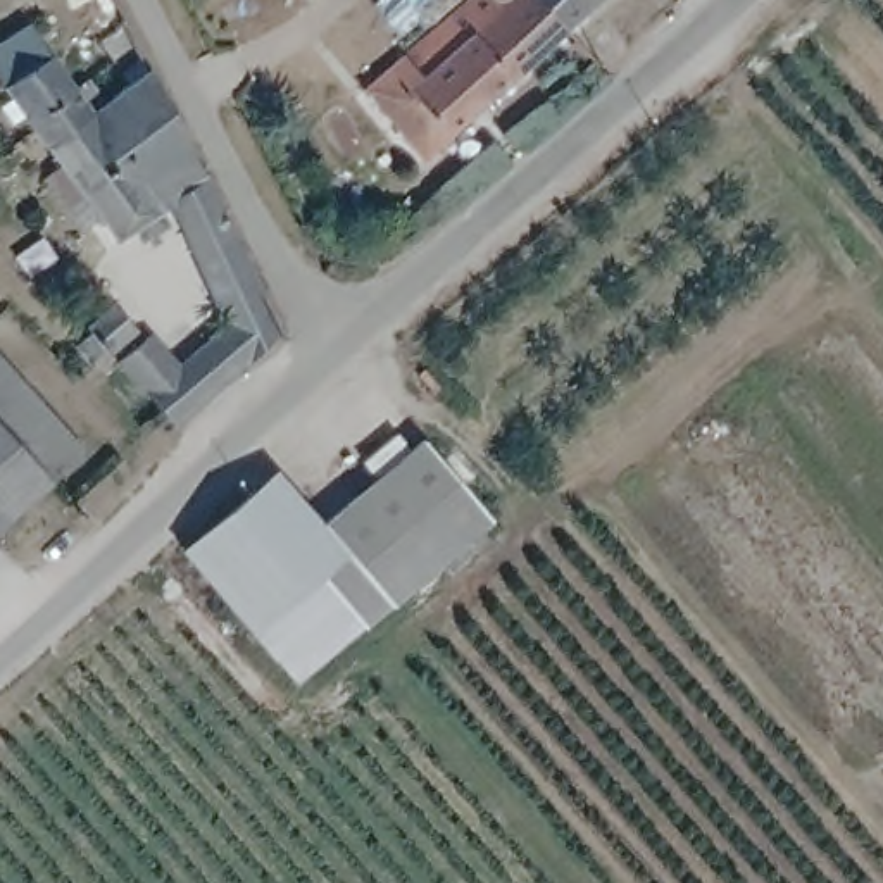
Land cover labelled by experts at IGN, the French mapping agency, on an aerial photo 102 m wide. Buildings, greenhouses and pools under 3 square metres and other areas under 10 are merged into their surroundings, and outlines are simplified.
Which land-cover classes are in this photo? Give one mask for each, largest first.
<instances>
[{"label":"herbaceous vegetation","instance_id":"1","mask_svg":"<svg viewBox=\"0 0 883 883\"><path fill-rule=\"evenodd\" d=\"M128 0H0V41L45 17V41L48 52L59 59L62 52L76 48V38H114L124 28ZM169 28L176 31L190 59H207L221 52L217 41L200 45L193 38L190 21L183 17V0H159ZM214 14L228 17L235 48L297 17L304 0H207ZM379 0H359L331 28H324V45L348 66L359 86L369 90L390 66L404 59V34L393 31L390 21L379 14ZM679 0H604L573 24L576 34H590L597 41V59L607 72H617L624 79L645 59L635 52V41L648 34L662 17H673ZM855 10V0H780L769 10V21L759 28V34L748 45H742L728 66L707 76L690 97H676L659 121L635 128L628 135V145L604 159V166L590 172L569 197L555 200L545 221L552 231L576 235V259L562 262L542 293L521 297L504 321L486 324L479 338L462 352L466 359L462 383L479 400L476 417H459L455 410H448L438 400V379L431 373H417L414 366L424 352V341L438 331L442 317L459 321V286L445 293L442 304L421 317V324L400 328L393 335L397 362L404 369V390L417 400L407 421H417L424 428V442L435 445L442 455L466 459V466L473 469V493L493 514L486 545L473 552V562L462 576L442 573L431 593H414L407 604H400L393 614H386L379 624H373L366 635L345 645L328 666H321L304 683H293L290 673L248 635L245 621L217 597V590L190 562V548L176 542L155 552L145 573H162L166 579H176L200 611H207L217 624H228L238 655L272 690L283 693V704L272 711L279 728L293 738H321L335 728L341 731V738H362L373 731L383 742L393 735L407 759L438 786L448 807L479 835L486 849H493V855L504 862L514 883H535V876L514 859V852L479 821L473 804L452 786L455 773L469 790H476L486 800L493 817L524 845V852L535 862H542V869L555 883H597L579 866V859L566 852V845L552 835L548 821L497 769L490 752L479 742H473L462 717L435 700V693L421 679L424 666H431L445 679V686L473 711V717L490 731V738L524 769V776L583 838V845L600 859L614 883H638L635 873H628L614 849L597 835V828L559 793V786L542 773V766L517 745V738L490 714L476 690L442 655L448 642L490 683V690L507 704V711L542 742V748L559 762L573 786L604 814V821L628 842V849L645 862V869H652L659 883H679L666 869V862L645 845V838L621 817V811L597 790V783L579 769V762L555 742V735L528 711V704L459 631L469 621L483 628V635L500 648V655L569 724V731L642 807V814L655 824V831L673 845V852L700 883H724L676 831V824L659 811V804L638 786V780L607 752V745L590 731V724L566 704V697L542 676V669L490 617L497 604L521 621V628L548 652L562 676L586 697V704L624 738V745L666 786L673 804L711 838L717 852H724L735 862L745 883H766L748 866V859L714 828V821L690 800V793L666 773V766L631 731V724L573 666L559 642L510 593L517 583L531 586V593L566 624V631L611 676V683L621 693H628V700L638 707L648 728L669 745L679 766L704 783L717 807L745 831V838L776 866V873L786 883H807L797 873V866L766 838V831L742 811V804L721 786V780L693 755L679 731L621 673L611 652L538 576L535 566L542 559H548L562 573V579L617 635L631 659L662 686V693L683 711V717L704 735V742L735 769V776L759 797V804L776 817V824L793 838V845L831 883H849L845 873L811 842V835L776 800V793L752 773L742 752L721 738L711 717L645 652V645L611 611L604 593L590 586L583 573L566 559V548L573 542L597 562L600 573H607L617 583L624 600L642 614L655 638L711 693V700L766 755V762L800 793L811 814L828 828L842 852L873 883H883V869L862 852V845L845 831V824L824 807V800L800 780V773L783 759V752L759 731V724L738 707V700L724 693L711 669L683 645L669 621L652 607V600L628 579V573L583 531V524L573 514L586 507L576 493L562 490L555 469L528 490L524 479L510 476L497 459L510 452L517 431H531V410H542V400H562L569 383L586 386L590 369L607 362L611 335H628L638 324V314L666 317L669 310H676L686 317L690 297H714L721 255H738L745 241L769 245V238H776L786 245V259L797 262L804 255H814L817 276L831 283H838L845 272H855L869 252H876V259L883 262V231L852 204L838 179L828 176L817 155L752 93L748 79L755 72L766 76L773 90L842 155V162L862 179V186L883 204V183L862 166V159L842 141L838 131H831L811 110L807 100H800V93L773 66V59L776 52H786L797 72L814 86V93H821L852 124L866 148L883 159V138L866 128L859 110L842 97V86L849 83L838 72L835 59L845 52L838 28ZM704 114L714 121V141H707L700 155L683 159L679 169L655 183L652 193L611 210L614 228L604 238H590L576 224V217L604 214V204L597 197L607 193L631 169L645 166V145H655V138L673 135L683 117ZM714 176L738 179L745 190V207L731 217L707 214V228L717 238L707 259L700 262L693 248L676 252L659 276L652 269L635 276L638 293L624 307H607V300L593 286V272L607 259L621 262L624 269L638 262L628 245L638 235L659 228L673 200L690 197L693 204H704L707 183ZM538 324H548L559 338V348L542 366H535L524 345V331ZM321 59L297 52L269 76L276 83H290L293 110L317 124L310 145L321 152V162L328 166L338 186L348 183L352 190L376 186L397 193V214H414L431 200L455 172H462V159L452 155L438 162L431 172H424L400 148L379 135V128L359 110L352 97L341 93L335 79H307ZM55 172V159H45V138L24 128V110L21 103H14V86L0 76V190L14 204L31 197L45 210L41 238L21 255L10 252V245L24 235V224H0V345L21 366V373L69 417V424L79 435V445L90 455L100 445H114L117 466L79 504L59 500L55 490L45 493L34 507H28L14 521V528H0V548L24 573L41 569L52 548H66L69 531L90 535L114 521L135 493H141L145 479L159 473L162 459L179 445V435L172 431V421L128 376L124 362L100 359L90 369H83V376H66L52 352L38 348L14 321L3 317L10 300L38 321L45 335L66 341L69 338V324L34 297V272L48 269L66 248L90 266L103 255L100 241L93 238V224L83 214H69L55 183L48 179ZM545 103L538 90H531L497 114L500 128L507 131ZM245 107L231 97L228 103H221V128L231 148L238 152L248 179L255 183L259 200L283 228L286 241H304L300 224L279 200V190L255 148L252 128L241 117ZM179 621L166 593H145L131 579L121 583L107 600H100L86 617H79L62 635L59 648L41 652L28 669H21L10 683L0 686V745H10L14 738L28 735L31 721L41 731L55 724L45 711L52 704L62 707L72 690L86 683L76 669L79 659L90 662L103 686L145 728V735L155 738L162 724H155V717L141 711L135 693L124 690V683L135 679L155 707H162V714L176 711V704L162 693V683H179L183 676L166 659V648L172 645L193 673L207 669V662L176 631Z\"/></svg>","mask_w":883,"mask_h":883},{"label":"deciduous trees","instance_id":"2","mask_svg":"<svg viewBox=\"0 0 883 883\"><path fill-rule=\"evenodd\" d=\"M607 72L597 59H583L576 52H552V59L538 62L531 90H538L545 103H586L604 86ZM773 66L800 93V100H807L811 110L831 131H838L842 141L862 159V166L883 183V159L866 148L852 124L821 93H814V86L797 72L786 52H776L773 59ZM231 97L245 107L241 117L252 128L255 148L279 190V200L300 224L304 241V255L324 276L359 283L373 279L383 262L397 259L410 241L438 228L445 217L431 200L414 214H397V193L376 186L352 190L348 183L338 186L328 166L321 162V152L310 145L317 124L293 110L290 83H276L269 76L248 72L231 90ZM752 93L817 155L828 176L838 179L852 204L883 231V204L862 186V179L842 162V155L773 90L766 76L755 72L748 79ZM842 97L859 110L866 128L883 138V117L849 83L842 86ZM707 141H714V121L704 114L683 117L673 135L655 138V145H645V166L631 169L607 193L597 197L604 204V214L576 217V224L590 238H604L614 228L611 210L652 193L655 183L679 169L683 159L700 155ZM745 207V190L738 179L714 176L707 183L704 204H693L690 197L673 200L659 228L638 235L628 245L638 262L624 269L621 262L607 259L593 272V286L607 300V307H624L638 293L635 276L652 269L659 276L676 252L693 248L700 262L707 259L717 238L707 228V214L731 217ZM24 224V235L10 245V252L21 255L41 238L45 210L31 197L14 204L0 190V224ZM576 259V235L552 231L545 221H535L510 248H504L486 269L473 272L459 286V321L442 317L438 331L424 341V352L414 366L417 373H431L438 366H459L466 359L462 352L479 338L486 324L504 321L521 297L542 293L562 262ZM786 259V245L776 238H769V245L745 241L738 255H721L714 297H690L686 317L676 310H669L666 317L638 314V324L628 335H611L607 362L590 369L586 386L569 383L562 400H542V410H531V431H517L510 452L497 459L510 476L524 479L528 490L555 469L559 455L552 448V438L559 431L573 435L597 404L611 400L614 379L638 376L645 369V359L659 348H683L700 324L714 328L735 300H745L769 269H776ZM34 297L69 324V338H76L83 328H97L103 317L121 310V304L107 297L103 283L93 276L90 266L66 248L48 269L34 272ZM200 317L214 331V338H228L235 331L231 310L221 304H204ZM524 345L535 366H542L559 348V338L548 324H538L524 331ZM583 524V531L628 573V579L652 600V607L669 621L683 645L711 669L724 693L738 700V707L759 724V731L783 752V759L800 773V780L824 800V807L845 824V831L862 845V852L883 869V845L845 807L835 786L804 755V748L762 711L748 686L724 666V659L693 631L676 600H669L655 586V579L631 559L624 542L611 531V524L586 507L573 514ZM566 559L583 573L590 586L604 593L611 611L645 645V652L711 717L721 738L742 752L752 773L776 793V800L811 835V842L845 873L849 883H873L842 852L828 828L811 814L800 793L766 762V755L711 700V693L655 638L642 614L624 600L617 583L607 573H600L597 562L573 542L566 548ZM538 576L611 652L621 673L679 731L693 755L721 780V786L742 804V811L766 831V838L797 866V873L807 883H831L793 845V838L776 824V817L759 804V797L735 776V769L704 742V735L683 717V711L662 693V686L631 659L617 635L562 579V573L548 559H542L535 566ZM510 593L559 642L573 666L631 724V731L666 766V773L690 793V800L714 821V828L748 859V866L766 883H786L776 873V866L745 838V831L717 807L704 783L679 766L669 745L648 728L638 707L628 700V693H621L611 683V676L566 631V624L531 593V586L517 583ZM490 617L542 669V676L566 697V704L590 724V731L607 745V752L638 780V786L659 804V811L676 824V831L724 883H745L735 862L724 852H717L711 838L673 804L666 786L624 745V738L586 704V697L562 676L548 652L521 628V621L497 604ZM176 631L207 662V669L193 673L172 645L166 648V659L183 676L179 683H162V693L176 704V711L162 714V707H155L135 679L124 683V690L135 693L141 711L155 717V724H162L155 738L145 735V728L103 686L90 662L79 659L76 669L86 683L72 690L62 707L52 704L45 711L55 724L41 731L31 721L28 735L14 738L10 745H0V883H514L504 862L493 855V849H486L479 835L448 807L438 786L407 759L393 735L383 742L373 731L362 738H341V731L335 728L321 738H293L279 728L272 711L262 707L221 666V659L197 638L190 624L179 621ZM459 631L528 704V711L555 735V742L579 762V769L597 783V790L621 811V817L645 838V845L666 862V869L679 883H700L673 852V845L655 831V824L642 814V807L569 731V724L500 655V648L483 635V628L469 621ZM442 655L476 690L490 714L517 738V745L542 766V773L559 786V793L597 828V835L614 849L628 873H635L638 883H659L652 869H645V862L628 849V842L604 821V814L573 786L559 762L542 748V742L507 711V704L490 690V683L448 642ZM421 679L435 693V700L462 717L473 742H479L490 752L497 769L548 821L552 835L566 845V852L579 859V866L597 883H614L600 859L583 845V838L524 776V769L490 738V731L473 717V711L445 686V679L431 666H424ZM452 786L473 804L479 821L514 852V859L535 876V883H555L542 869V862H535L524 852V845L493 817L486 800L476 790H469L455 773Z\"/></svg>","mask_w":883,"mask_h":883},{"label":"building","instance_id":"3","mask_svg":"<svg viewBox=\"0 0 883 883\"><path fill-rule=\"evenodd\" d=\"M604 0H421L417 24L404 34V59L390 66L369 90L379 110L393 121V128L407 135V145L400 148L424 172H431L438 162L452 155L462 159L476 155L479 145L500 141L507 131L500 128L497 114L531 90L538 62L552 59V52H576L583 59H597V41L590 34H576L573 24ZM45 17L0 41V76L14 86V103H21L24 110V128L45 138V159H55V172L48 179L55 183L69 214H83L93 224H107L121 241L141 238L148 245H159L166 235V210H172L179 238L200 276L204 304H221L231 310L235 331L228 338H214L179 362L176 345H166L145 321L128 317L121 310L103 317L97 328H83L76 338H69L66 341L79 348L83 369H90L100 359L124 362L128 376L172 421V431L179 435L224 386H231L241 373L255 369L279 345L283 328L269 304V283L262 269L248 259L241 228L228 214L214 186L217 176L207 169L200 145L186 135V117L176 110L159 72L148 69L141 79L128 83L107 107H93L97 86L76 83L72 72L59 66V59L48 52L45 41ZM90 455L79 445V435L69 424V417L21 373V366L0 345V528H14V521L28 507H34L45 493L55 490ZM373 486L328 521L279 476H272L262 490L248 479H238L245 504L190 548V562L217 590V597L245 621L248 635L290 673L293 683H304L321 666H328L345 645L366 635L373 624H379L386 614H393L400 604H407L414 593H431L442 573L462 576L473 562V552L486 545L493 514L473 493V469L466 466V459L442 455L435 445L424 442L407 445L404 438H390L379 452H373Z\"/></svg>","mask_w":883,"mask_h":883},{"label":"agricultural land","instance_id":"4","mask_svg":"<svg viewBox=\"0 0 883 883\"><path fill-rule=\"evenodd\" d=\"M552 448L559 455L555 469L562 490L576 493L586 507L611 524V531L624 542L631 559L655 579V586L669 600H676L693 631L724 659V666L748 686L762 711L804 748V755L835 786L845 807L883 845V262L876 259V252H869L855 272H845L838 283H831L817 276L814 255H804L797 262L786 259L776 269H769L745 300H735L714 328L700 324L683 348H659L645 359V369L638 376L614 379L611 400L597 404L573 435L559 431L552 438Z\"/></svg>","mask_w":883,"mask_h":883},{"label":"impervious surface","instance_id":"5","mask_svg":"<svg viewBox=\"0 0 883 883\"><path fill-rule=\"evenodd\" d=\"M359 0H304L297 17L235 48L221 52L207 59H190L176 31L169 28L159 0H128L124 28L114 38H76V48L62 52L59 59V66L72 72L76 83L97 86L93 107H107L128 83L141 79L148 69L159 72L176 110L186 117V135L200 145L207 169L217 176L214 186L228 214L241 228L248 259L262 269L269 283V304L283 328L279 345L255 369L241 373L231 386H224L179 435V445L162 459L159 473L145 479L141 493H135L114 521L90 535L69 531L66 548H52L41 569L24 573L0 548V686L10 683L21 669H28L41 652L59 648L62 635L79 617H86L100 600H107L121 583L131 579L135 573H145L155 552L176 542L172 524L207 473L252 452H262V435L304 397H310L338 366H345L366 338H373L390 317L400 328L421 324V317L442 304L445 293L459 286L473 272L486 269L504 248H510L535 221H545L555 200L569 197L590 172L604 166V159L628 145V135L635 128L659 121L676 97H690L707 76L728 66L742 45H748L759 34V28L769 21V10L780 0H707L690 17V24H683L655 55L645 59L624 79L614 97L593 107L559 141L545 138L538 148L517 152L507 172L510 183L497 197L483 190L462 210L445 217L438 228L410 241L397 259L383 262L373 279L359 283L324 276L304 255V241H286L283 228L259 200L255 183L248 179L238 152L231 148L221 128V103H228L231 97V90L248 72L269 76L297 52L321 59L307 79H335L341 93L352 97L359 110L379 128V135L400 148L407 145V135L393 128V121L379 110L369 90L359 86L348 66L324 45V28H331ZM379 14L390 21L393 31L404 34L417 24L421 0H379ZM93 238L100 241L103 255L90 266L93 276L103 283L107 297L121 304V310L128 317L145 321L166 345H176L179 362L214 338V331L200 317L204 304L200 276L179 238L172 210H166V235L159 245H148L141 238L121 241L107 224H93Z\"/></svg>","mask_w":883,"mask_h":883},{"label":"pervious surface","instance_id":"6","mask_svg":"<svg viewBox=\"0 0 883 883\"><path fill-rule=\"evenodd\" d=\"M707 0H679L673 17H662L648 34L635 41V52L645 59L655 55L683 24H690V17ZM400 328L390 317L373 338H366L345 366H338L310 397H304L262 435V452H252L207 473L172 524L176 542L190 548L245 504L238 479H248L262 490L272 476H279L328 521L373 486V452H379L390 438H404L407 445L424 442V428L417 421H407L417 400L404 390V369L397 362L393 335ZM131 579L145 593H166L179 621L190 624L197 638L221 659V666L262 707L272 711L283 704V693L272 690L238 655L228 624H217L207 611H200L176 579H166L162 573H135Z\"/></svg>","mask_w":883,"mask_h":883},{"label":"brushwood","instance_id":"7","mask_svg":"<svg viewBox=\"0 0 883 883\"><path fill-rule=\"evenodd\" d=\"M183 17L190 21L193 38L200 45L217 41L221 52L235 48L228 17L214 14L207 0H183ZM624 79L617 72H607L604 86L586 103H545L507 131L500 141L479 145L476 155L462 159V172H455L431 200L445 217L462 210L483 190L497 197L510 183L507 172L517 152L538 148L545 138L559 141L593 107L614 97ZM3 317L14 321L38 348L52 352L66 376H83V369L79 348L66 341L45 335L38 321L10 300ZM466 359L459 366H438L431 373L438 379V400L448 410H455L459 417H476L479 400L462 383ZM117 466L114 445H100L55 490L59 500L79 504Z\"/></svg>","mask_w":883,"mask_h":883},{"label":"plowed land","instance_id":"8","mask_svg":"<svg viewBox=\"0 0 883 883\"><path fill-rule=\"evenodd\" d=\"M845 52L835 59L838 72L883 117V0H855V10L838 28Z\"/></svg>","mask_w":883,"mask_h":883}]
</instances>
